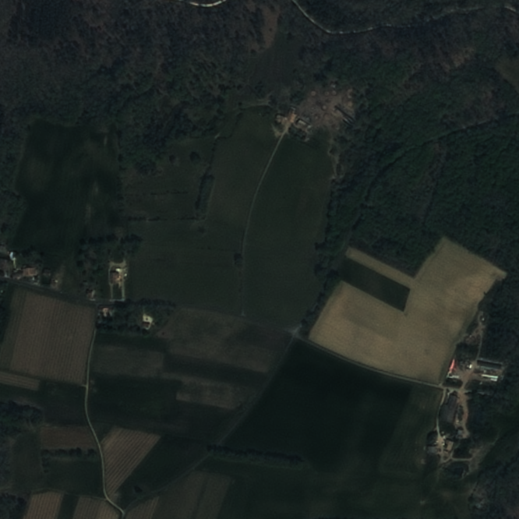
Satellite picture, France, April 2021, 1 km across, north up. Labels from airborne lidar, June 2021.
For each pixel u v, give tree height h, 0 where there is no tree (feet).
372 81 58
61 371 0
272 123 0
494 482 31
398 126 65
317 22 38
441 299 0
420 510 0
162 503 0
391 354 0
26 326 0
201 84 62
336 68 67
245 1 26
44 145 0
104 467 0
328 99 0
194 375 0
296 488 0
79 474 0
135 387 0
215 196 0
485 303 0
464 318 0
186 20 59
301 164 0
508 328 37
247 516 0
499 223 51
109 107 39
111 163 0
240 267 48
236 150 0
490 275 0
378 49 48
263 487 0
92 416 0
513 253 59
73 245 0
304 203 0
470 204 51
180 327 0
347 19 50
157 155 41
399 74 49
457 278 0
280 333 0
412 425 0
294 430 0
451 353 0
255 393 0
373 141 60
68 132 0
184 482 0
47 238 0
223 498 0
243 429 0
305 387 0
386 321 0
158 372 0
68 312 0
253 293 0
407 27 75
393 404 0
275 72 0
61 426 0
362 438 0
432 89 56
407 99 55
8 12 44
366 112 55
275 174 0
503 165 55
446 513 0
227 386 0
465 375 0
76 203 0
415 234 62
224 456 45
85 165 0
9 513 36
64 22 65
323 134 0
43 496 0
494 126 45
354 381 0
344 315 0
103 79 72
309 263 0
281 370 0
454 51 70
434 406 0
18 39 31
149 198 0
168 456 0
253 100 0
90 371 0
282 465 39
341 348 0
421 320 0
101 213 0
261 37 58
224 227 0
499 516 60
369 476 0
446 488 0
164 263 0
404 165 41
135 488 0
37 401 0
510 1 57
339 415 0
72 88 67
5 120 25
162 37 49
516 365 30
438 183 30
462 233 61
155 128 65
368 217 45
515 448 0
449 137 41
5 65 48
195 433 0
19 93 50
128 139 65
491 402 42
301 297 0
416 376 0
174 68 74
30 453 0
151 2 36
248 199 0
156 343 0
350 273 0
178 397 0
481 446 40
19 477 0
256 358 0
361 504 0
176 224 0
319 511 0
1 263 0
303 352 0
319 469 0
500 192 50
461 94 45
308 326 42
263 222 0
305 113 0
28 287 0
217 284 0
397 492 0
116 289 0
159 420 0
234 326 0
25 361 0
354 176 18
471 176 50
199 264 0
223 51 57
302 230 0
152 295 0
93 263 44
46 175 0
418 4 48
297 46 0
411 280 0
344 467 0
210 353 0
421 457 0
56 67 56
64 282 0
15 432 64
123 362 0
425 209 35
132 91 58
